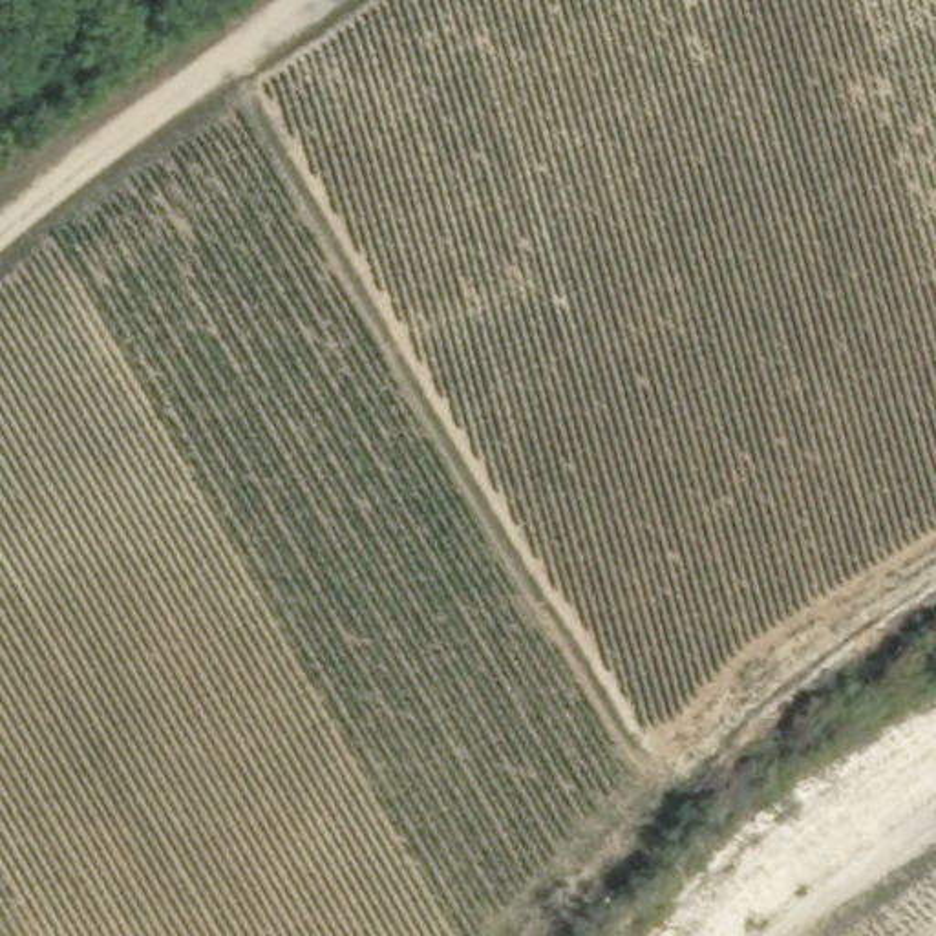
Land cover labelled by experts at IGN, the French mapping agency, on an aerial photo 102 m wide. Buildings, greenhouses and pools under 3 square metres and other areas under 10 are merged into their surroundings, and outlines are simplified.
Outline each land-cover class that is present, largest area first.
<instances>
[{"label":"vineyard","instance_id":"1","mask_svg":"<svg viewBox=\"0 0 936 936\"><path fill-rule=\"evenodd\" d=\"M325 18L274 44L245 73L227 77L205 99L186 106L179 117H172L139 146H132L99 176H91L80 190H73L62 205H55L44 219H37L0 252V936H607L625 899L611 896V888L603 885V870L633 852L640 826L651 823L665 790L680 786V779H687L706 757L713 764H735V757L753 739L775 728L782 706H790L801 691L815 687L845 662H856L870 647H878L899 625L903 614L936 603V0H325ZM804 936H936V870L888 907H878L867 892L845 899L826 918H815L804 929Z\"/></svg>","mask_w":936,"mask_h":936},{"label":"pervious surface","instance_id":"2","mask_svg":"<svg viewBox=\"0 0 936 936\"><path fill-rule=\"evenodd\" d=\"M325 0H260L249 11V18L238 29H230L216 48L197 55L176 77L161 80L154 91H146L139 102H132L124 113H117L73 146L55 168L33 179L29 190H22L11 205L0 208V252L37 219H44L55 205H62L73 190H80L91 176H99L132 146H139L172 117H179L186 106L205 99L227 77L245 73L274 44L325 18ZM936 845V709L885 728L881 739L867 750L848 753L841 764L823 768L815 779H801L797 790L779 797L768 812L746 819L709 856V863L684 881L676 910L665 918L662 929H651L647 936H804V929L815 918H826L845 899L867 892L896 867Z\"/></svg>","mask_w":936,"mask_h":936},{"label":"brushwood","instance_id":"3","mask_svg":"<svg viewBox=\"0 0 936 936\"><path fill-rule=\"evenodd\" d=\"M936 709V603L903 614L899 625L878 647H870L856 662H845L815 687L801 691L790 706H782L775 728L753 739L735 757V764H713L706 757L687 779H680V786L665 790L651 823L640 826L633 852L603 870V885L611 888V896L625 899L607 936H647L651 929H662L665 918L676 910L684 881L709 863V856L746 819L768 812L779 797L797 790L801 779H815L823 768L841 764L848 753L867 750L881 739L885 728Z\"/></svg>","mask_w":936,"mask_h":936},{"label":"deciduous trees","instance_id":"4","mask_svg":"<svg viewBox=\"0 0 936 936\"><path fill-rule=\"evenodd\" d=\"M260 0H0V172L11 165L18 146L37 150L44 139H66L73 146L117 113H124L132 102H139L146 91H154L161 80L176 77L197 55L216 48L230 29H238L249 18V11Z\"/></svg>","mask_w":936,"mask_h":936},{"label":"herbaceous vegetation","instance_id":"5","mask_svg":"<svg viewBox=\"0 0 936 936\"><path fill-rule=\"evenodd\" d=\"M73 146L66 139H44L37 150L18 146L11 165L0 172V208L11 205L22 190H29L33 179L55 168ZM936 870V845L896 867L867 892L878 907H888Z\"/></svg>","mask_w":936,"mask_h":936}]
</instances>
